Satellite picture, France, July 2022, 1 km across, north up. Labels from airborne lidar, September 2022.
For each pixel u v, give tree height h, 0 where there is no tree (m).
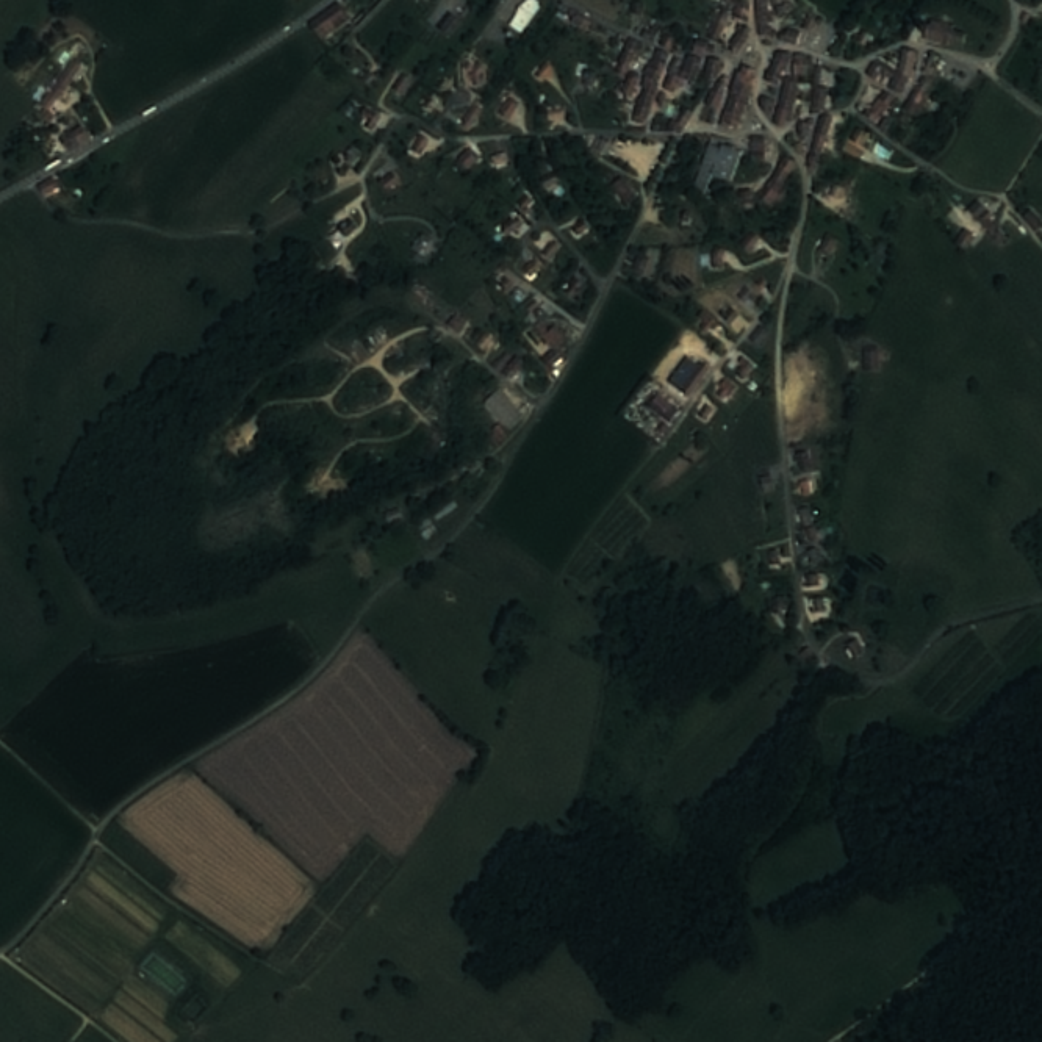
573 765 0
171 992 0
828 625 14
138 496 6
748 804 22
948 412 0
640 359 0
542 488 0
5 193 0
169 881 0
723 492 0
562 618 0
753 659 8
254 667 0
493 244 8
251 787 0
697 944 24
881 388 0
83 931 0
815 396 0
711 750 0
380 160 0
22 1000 0
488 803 0
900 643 0
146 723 0
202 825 0
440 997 0
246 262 0
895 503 0
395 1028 0
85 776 0
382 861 0
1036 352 0
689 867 9
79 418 0
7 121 0
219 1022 0
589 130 0
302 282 10
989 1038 29
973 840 30
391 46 8
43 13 0
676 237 0
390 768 0
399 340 0
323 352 0
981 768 26
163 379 11
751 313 0
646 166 0
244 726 0
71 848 0
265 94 0
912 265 0
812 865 0
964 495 0
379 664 0
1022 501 0
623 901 20
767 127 0
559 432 0
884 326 0
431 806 0
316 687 0
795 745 24
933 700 0
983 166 0
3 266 0
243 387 8
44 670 0
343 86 0
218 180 0
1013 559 0
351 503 11
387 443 0
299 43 0
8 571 0
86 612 0
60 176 6
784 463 0
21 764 0
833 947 0
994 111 0
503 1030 0
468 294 0
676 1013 11
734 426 0
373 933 0
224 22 0
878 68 0
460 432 7
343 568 0
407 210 0
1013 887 11
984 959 28
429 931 0
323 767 0
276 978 0
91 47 0
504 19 0
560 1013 0
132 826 0
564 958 0
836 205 0
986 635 0
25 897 0
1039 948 28
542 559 0
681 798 0
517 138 8
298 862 0
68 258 0
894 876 20
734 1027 0
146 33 0
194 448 6
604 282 0
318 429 6
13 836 0
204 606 7
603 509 0
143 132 0
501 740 0
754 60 0
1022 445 0
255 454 8
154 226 0
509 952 23
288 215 0
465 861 0
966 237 0
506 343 8
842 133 6
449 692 0
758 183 0
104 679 0
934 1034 27
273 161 0
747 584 8
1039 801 28
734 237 10
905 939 0
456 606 0
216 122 0
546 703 0
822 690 11
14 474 0
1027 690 23
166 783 0
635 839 16
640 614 20
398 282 10
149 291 0
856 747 15
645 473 0
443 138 0
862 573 32
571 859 24
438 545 0
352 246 0
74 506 6
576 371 0
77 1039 0
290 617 0
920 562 0
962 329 0
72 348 0
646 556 6
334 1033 0
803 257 0
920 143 5
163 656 0
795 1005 0
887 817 24
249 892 0
